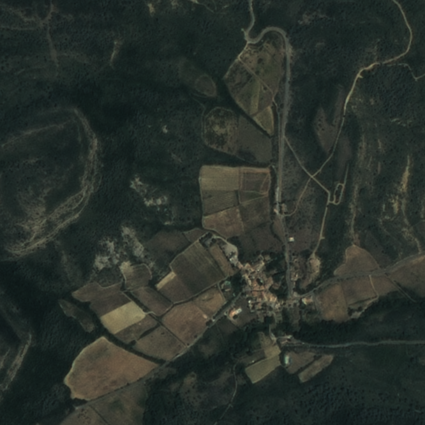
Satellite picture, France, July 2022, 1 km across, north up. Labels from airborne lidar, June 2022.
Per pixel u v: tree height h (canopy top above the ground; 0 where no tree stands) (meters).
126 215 7
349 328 14
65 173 0
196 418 7
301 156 0
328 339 6
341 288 0
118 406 0
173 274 0
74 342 10
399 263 0
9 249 0
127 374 0
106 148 11
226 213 0
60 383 6
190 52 8
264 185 0
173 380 7
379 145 0
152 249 0
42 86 6
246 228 0
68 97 10
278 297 13
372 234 0
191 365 13
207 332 7
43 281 6
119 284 0
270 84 0
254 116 0
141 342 0
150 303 0
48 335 16
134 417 0
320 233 0
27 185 0
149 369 0
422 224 0
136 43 7
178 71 8
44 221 0
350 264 0
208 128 0
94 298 0
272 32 0
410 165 0
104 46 8
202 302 0
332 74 6
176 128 5
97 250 8
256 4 7
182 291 0
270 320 18
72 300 7
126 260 0
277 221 0
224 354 11
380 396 9
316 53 8
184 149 7
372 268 0
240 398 6
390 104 11
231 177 0
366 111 0
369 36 6
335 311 0
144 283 0
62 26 6
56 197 0
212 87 0
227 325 0
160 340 0
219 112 0
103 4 11
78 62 0
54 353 6
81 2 6
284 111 0
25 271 14
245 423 5
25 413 10
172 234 0
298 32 9
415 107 7
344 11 11
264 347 0
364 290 0
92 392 0
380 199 7
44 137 0
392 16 6
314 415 9
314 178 0
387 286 0
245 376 6
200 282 0
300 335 11
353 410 7
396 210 0
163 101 8
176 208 0
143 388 0
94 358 0
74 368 0
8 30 7
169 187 0
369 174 0
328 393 11
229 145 0
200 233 0
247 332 14
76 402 8
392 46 8
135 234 0
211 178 0
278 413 11
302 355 0
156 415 17
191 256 0
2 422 8
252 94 0
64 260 0
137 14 7
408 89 9
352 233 0
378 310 7
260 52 0
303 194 0
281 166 0
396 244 0
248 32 0
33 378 6
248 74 0
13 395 8
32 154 0
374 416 9
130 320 0
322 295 0
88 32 8
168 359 0
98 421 0
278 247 0
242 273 0
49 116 0
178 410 9
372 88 8
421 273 0
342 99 0
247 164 8
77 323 8
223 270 0
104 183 11
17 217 0
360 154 0
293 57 0
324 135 0
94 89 6
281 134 0
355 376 0
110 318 0
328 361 0
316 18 7
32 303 8
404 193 0
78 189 0
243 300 0
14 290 6
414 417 13
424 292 0
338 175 0
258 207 0
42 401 8
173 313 0
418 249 0
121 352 0
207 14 0
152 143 6
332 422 7
